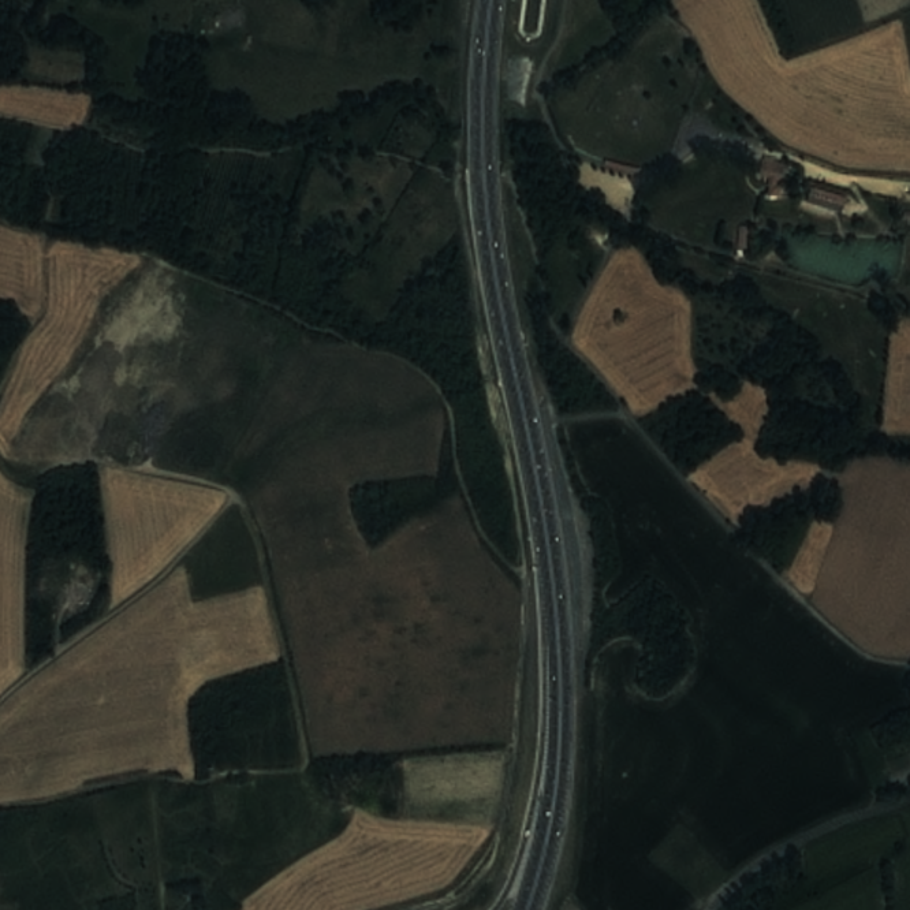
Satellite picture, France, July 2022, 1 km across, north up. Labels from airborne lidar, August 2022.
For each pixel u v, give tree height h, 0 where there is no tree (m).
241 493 0
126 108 19
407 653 0
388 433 0
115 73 0
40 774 0
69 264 0
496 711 0
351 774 10
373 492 16
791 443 6
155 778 0
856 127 0
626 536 0
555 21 0
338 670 0
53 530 7
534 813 0
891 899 8
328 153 10
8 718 0
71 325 0
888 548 0
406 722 0
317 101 0
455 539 0
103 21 0
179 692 0
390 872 0
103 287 0
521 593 0
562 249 0
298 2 0
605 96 0
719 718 0
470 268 0
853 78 0
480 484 7
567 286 0
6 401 0
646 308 0
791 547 0
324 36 0
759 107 0
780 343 19
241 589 0
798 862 21
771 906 7
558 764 0
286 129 6
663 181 25
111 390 0
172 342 0
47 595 0
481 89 0
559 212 11
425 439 0
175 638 0
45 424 0
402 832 0
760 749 0
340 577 0
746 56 0
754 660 0
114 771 0
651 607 14
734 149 24
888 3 0
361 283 0
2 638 0
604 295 0
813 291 0
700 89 0
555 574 0
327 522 0
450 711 0
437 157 0
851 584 0
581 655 0
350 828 0
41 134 0
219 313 0
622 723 0
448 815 0
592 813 0
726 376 17
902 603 0
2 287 0
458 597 0
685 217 0
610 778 0
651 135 0
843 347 0
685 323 0
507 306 0
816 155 0
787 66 0
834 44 0
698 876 0
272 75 0
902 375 0
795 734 0
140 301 0
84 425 0
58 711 0
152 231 12
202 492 0
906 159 0
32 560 6
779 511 16
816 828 0
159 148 12
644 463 0
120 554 0
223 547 0
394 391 0
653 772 0
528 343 0
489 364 0
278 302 9
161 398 0
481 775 0
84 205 11
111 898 7
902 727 17
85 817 0
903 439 0
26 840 0
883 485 0
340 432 0
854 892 0
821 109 0
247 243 19
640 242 15
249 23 0
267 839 0
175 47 21
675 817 0
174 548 0
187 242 15
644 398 0
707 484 0
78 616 6
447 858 0
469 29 0
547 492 0
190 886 13
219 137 10
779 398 12
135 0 13
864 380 0
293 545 0
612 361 0
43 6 13
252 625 0
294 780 0
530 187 10
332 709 0
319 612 0
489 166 0
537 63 0
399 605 0
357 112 18
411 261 0
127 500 0
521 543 0
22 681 0
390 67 0
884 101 0
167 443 0
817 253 0
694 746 0
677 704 0
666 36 0
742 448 0
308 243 17
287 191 0
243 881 0
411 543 0
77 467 6
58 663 0
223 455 0
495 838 0
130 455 0
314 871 0
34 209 8
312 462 0
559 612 0
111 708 0
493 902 0
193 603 0
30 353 0
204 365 0
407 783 0
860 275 0
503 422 0
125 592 0
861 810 0
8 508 0
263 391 0
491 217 0
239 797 0
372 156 16
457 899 0
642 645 8
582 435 0
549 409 0
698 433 7
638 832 0
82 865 0
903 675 0
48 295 0
